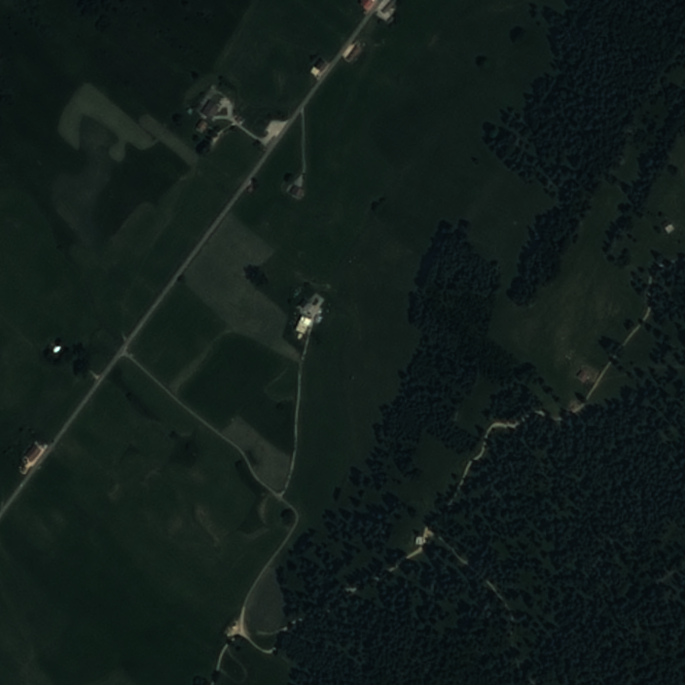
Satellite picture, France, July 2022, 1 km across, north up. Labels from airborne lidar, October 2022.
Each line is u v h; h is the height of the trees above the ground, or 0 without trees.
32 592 0
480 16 0
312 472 0
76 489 0
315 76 0
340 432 0
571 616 23
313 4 0
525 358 0
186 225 0
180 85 0
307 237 0
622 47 34
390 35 0
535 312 0
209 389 0
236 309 0
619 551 21
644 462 27
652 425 27
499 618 14
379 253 0
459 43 0
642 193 16
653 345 0
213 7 0
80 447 0
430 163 0
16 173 0
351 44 0
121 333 0
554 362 0
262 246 0
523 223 0
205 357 0
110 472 0
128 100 0
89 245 0
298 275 0
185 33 0
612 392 0
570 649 22
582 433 27
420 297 16
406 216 0
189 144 0
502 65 0
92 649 0
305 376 0
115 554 0
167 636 0
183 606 0
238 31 0
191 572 0
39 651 0
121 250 0
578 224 30
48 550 0
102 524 0
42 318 0
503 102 0
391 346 0
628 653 20
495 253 0
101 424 0
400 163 0
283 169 0
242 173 0
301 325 0
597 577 32
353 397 0
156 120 0
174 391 0
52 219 0
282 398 0
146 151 0
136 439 0
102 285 0
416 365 9
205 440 0
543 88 21
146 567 0
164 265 0
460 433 15
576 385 0
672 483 30
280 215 0
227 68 0
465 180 0
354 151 0
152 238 0
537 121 17
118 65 0
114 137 0
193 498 0
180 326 0
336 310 0
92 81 0
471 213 0
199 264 0
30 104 0
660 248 0
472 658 7
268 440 0
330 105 0
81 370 27
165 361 0
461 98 0
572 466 26
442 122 0
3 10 0
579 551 31
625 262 10
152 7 0
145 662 0
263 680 0
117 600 0
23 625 0
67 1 0
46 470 0
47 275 0
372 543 21
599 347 0
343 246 0
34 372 0
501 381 11
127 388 0
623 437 21
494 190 0
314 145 0
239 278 0
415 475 18
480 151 0
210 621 0
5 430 0
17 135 0
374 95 0
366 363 0
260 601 0
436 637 28
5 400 0
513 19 0
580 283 0
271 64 0
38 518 0
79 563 0
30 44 0
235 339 0
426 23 0
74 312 0
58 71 0
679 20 25
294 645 22
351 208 0
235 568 0
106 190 0
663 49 23
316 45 0
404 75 0
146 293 0
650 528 26
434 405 27
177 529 0
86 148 0
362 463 0
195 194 0
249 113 0
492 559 21
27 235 0
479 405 0
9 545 0
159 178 0
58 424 0
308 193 0
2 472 0
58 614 0
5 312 0
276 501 0
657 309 21
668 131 14
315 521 0
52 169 0
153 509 0
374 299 0
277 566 0
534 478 17
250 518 0
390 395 0
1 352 0
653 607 16
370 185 0
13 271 0
